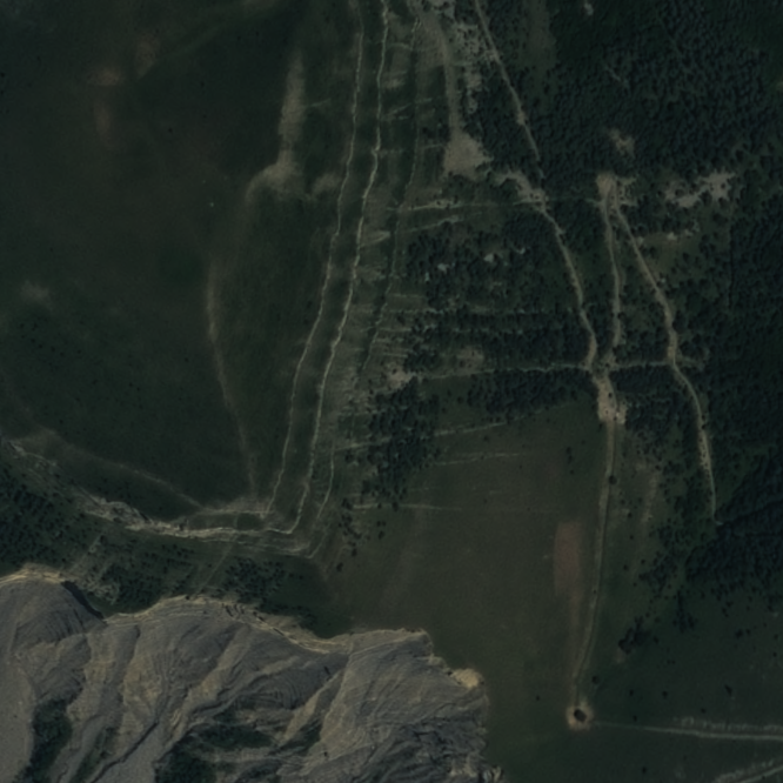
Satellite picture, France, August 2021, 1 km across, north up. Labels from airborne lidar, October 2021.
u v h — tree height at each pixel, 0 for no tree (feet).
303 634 0
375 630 0
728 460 29
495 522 0
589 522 0
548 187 52
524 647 0
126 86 0
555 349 54
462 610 0
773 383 44
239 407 0
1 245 0
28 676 0
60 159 0
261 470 0
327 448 0
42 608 0
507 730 0
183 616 0
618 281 0
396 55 0
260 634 0
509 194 43
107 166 0
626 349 22
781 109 46
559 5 37
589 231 44
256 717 0
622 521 0
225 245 0
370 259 0
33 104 0
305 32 0
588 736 0
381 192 0
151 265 0
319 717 0
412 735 0
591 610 0
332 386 0
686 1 98
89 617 0
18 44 0
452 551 0
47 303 0
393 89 0
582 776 0
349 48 0
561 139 46
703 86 94
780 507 43
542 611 0
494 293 26
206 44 0
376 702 0
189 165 0
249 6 0
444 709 0
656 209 46
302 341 0
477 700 0
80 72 0
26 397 0
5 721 0
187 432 0
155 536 0
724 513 35
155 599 25
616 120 67
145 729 0
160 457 0
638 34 37
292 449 0
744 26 63
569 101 71
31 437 0
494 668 0
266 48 0
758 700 0
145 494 0
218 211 0
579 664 0
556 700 0
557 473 0
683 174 31
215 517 0
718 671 0
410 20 0
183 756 33
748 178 34
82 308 0
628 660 0
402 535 0
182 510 0
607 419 0
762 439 47
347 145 0
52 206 0
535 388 23
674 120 77
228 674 0
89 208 0
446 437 0
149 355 0
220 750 32
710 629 0
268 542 0
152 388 0
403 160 0
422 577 0
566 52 31
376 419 38
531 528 0
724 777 0
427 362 40
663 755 0
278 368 0
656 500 0
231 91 0
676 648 0
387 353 0
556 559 0
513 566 0
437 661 0
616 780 0
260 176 0
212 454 0
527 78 75
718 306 45
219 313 0
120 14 0
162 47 0
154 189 0
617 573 0
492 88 26
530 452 0
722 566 36
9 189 0
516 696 0
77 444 0
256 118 0
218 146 0
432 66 0
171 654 0
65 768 0
